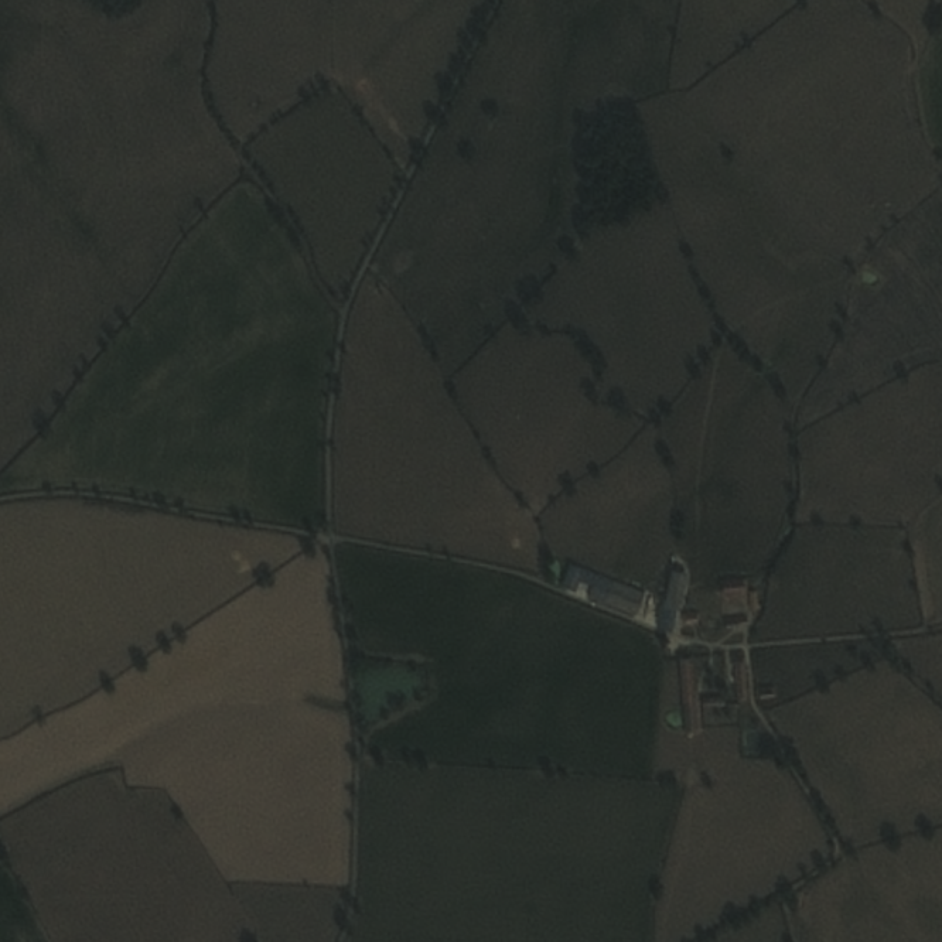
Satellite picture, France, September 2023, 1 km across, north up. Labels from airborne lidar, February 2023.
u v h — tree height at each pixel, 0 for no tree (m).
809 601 0
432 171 0
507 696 0
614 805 0
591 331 0
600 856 0
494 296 0
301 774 0
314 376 0
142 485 0
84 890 0
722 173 0
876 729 0
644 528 0
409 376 0
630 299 0
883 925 0
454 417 0
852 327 0
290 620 0
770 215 0
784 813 0
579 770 0
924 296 0
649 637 0
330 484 0
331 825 0
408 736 0
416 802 0
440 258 0
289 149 0
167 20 0
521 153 0
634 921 0
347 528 0
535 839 0
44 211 0
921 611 0
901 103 0
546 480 0
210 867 0
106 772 0
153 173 0
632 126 15
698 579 0
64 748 0
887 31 0
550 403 0
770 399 0
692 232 0
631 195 13
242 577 0
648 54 0
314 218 0
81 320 0
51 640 0
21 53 0
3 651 0
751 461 0
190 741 0
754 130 0
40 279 0
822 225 0
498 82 0
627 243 0
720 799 0
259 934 0
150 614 0
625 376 0
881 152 0
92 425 0
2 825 0
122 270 0
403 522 0
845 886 0
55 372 0
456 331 0
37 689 0
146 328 0
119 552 0
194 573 0
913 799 0
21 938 0
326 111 0
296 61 0
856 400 9
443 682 0
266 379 0
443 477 0
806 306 0
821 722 0
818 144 0
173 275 0
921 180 0
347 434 0
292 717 0
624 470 0
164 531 0
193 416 0
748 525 0
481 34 17
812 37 0
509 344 0
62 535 0
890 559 0
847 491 0
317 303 0
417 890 0
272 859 0
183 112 0
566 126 0
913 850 0
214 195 0
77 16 0
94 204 0
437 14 0
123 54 0
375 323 0
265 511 0
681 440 0
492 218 0
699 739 0
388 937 0
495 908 0
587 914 0
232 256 0
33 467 0
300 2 0
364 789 0
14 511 0
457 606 0
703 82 0
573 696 0
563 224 0
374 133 9
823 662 0
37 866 0
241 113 0
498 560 0
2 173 0
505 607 0
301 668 0
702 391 0
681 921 0
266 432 0
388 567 0
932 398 0
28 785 0
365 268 0
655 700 0
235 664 0
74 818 0
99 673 0
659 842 0
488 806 0
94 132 0
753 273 0
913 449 0
